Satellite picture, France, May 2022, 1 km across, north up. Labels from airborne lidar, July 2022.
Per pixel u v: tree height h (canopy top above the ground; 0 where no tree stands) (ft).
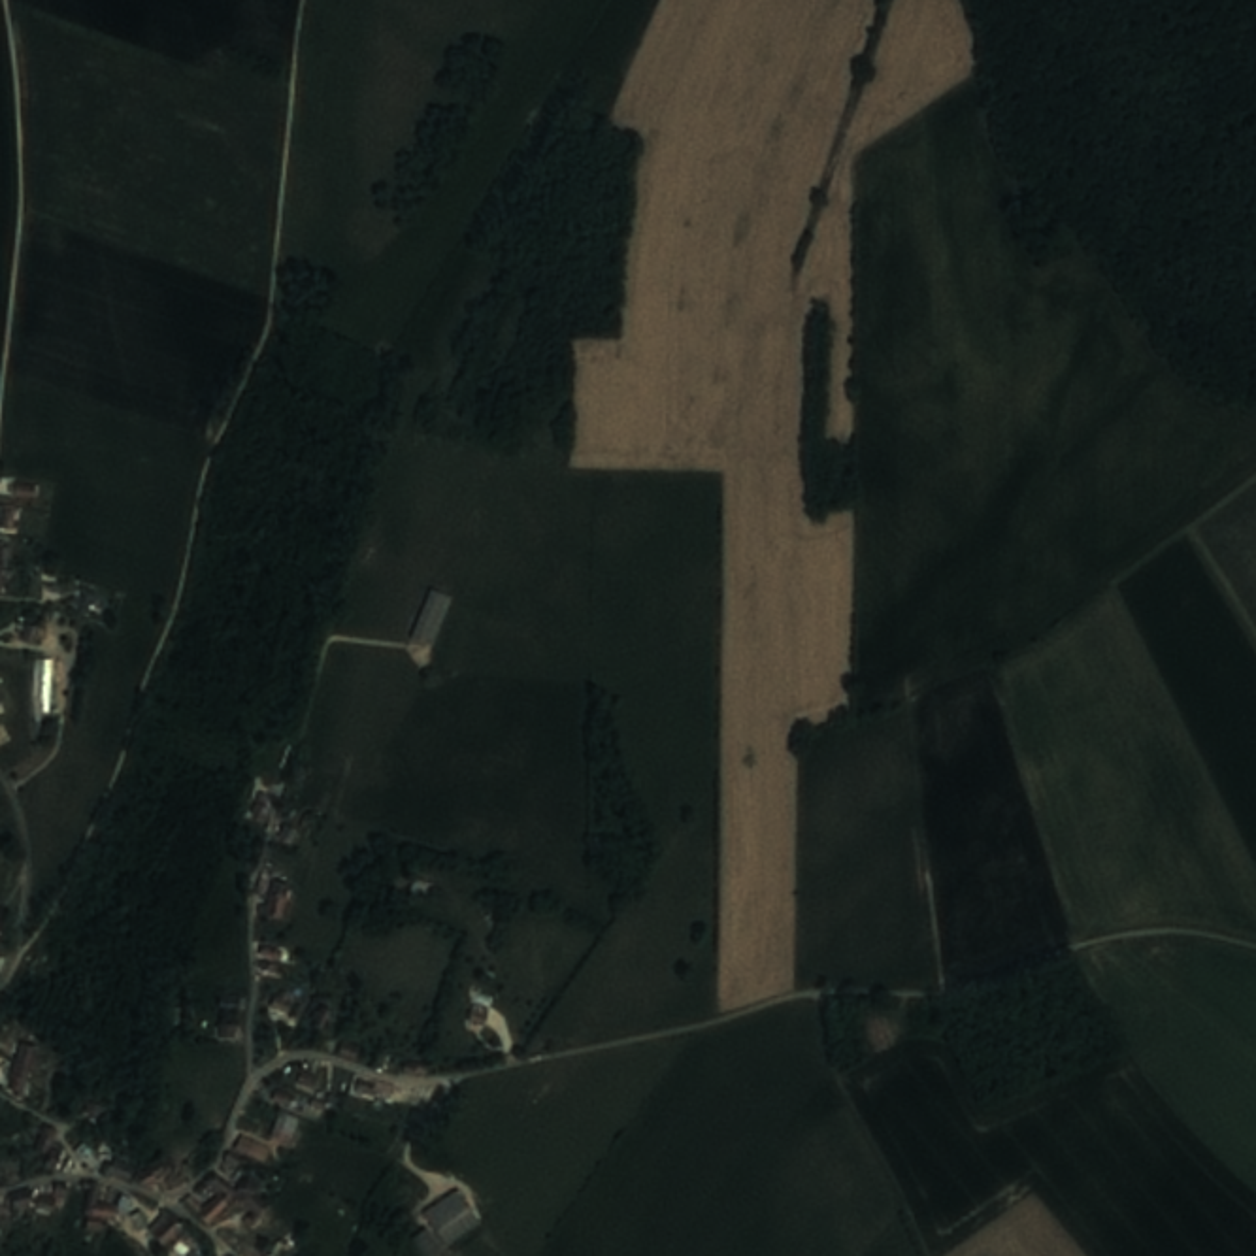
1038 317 0
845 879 0
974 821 0
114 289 0
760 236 0
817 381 48
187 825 36
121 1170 0
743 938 0
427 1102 0
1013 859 0
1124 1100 0
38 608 22
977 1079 40
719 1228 0
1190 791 0
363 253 0
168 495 0
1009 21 67
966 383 0
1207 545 0
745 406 0
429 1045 36
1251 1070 0
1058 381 0
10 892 0
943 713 0
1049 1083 50
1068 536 0
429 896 45
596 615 0
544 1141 0
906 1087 0
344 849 0
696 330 0
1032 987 71
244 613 30
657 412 0
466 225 0
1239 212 52
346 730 0
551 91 0
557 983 0
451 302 0
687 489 0
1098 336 0
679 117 0
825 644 0
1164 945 0
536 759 0
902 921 0
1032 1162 0
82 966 23
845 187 0
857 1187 0
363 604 0
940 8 0
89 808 0
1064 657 0
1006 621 0
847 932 0
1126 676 0
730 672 0
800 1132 0
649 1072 0
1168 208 63
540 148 76
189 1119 47
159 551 0
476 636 0
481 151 0
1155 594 0
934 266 0
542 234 82
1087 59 66
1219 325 72
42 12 0
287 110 0
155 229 0
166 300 0
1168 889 0
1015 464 0
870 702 0
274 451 32
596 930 26
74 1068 61
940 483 0
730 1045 0
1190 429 0
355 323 0
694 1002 0
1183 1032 0
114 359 0
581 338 26
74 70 0
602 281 47
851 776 0
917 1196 0
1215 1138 0
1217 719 0
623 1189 0
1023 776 0
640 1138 0
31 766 0
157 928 32
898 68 0
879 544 0
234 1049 0
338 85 0
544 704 0
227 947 0
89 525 0
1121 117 53
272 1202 21
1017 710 0
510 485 0
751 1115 0
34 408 0
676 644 0
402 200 42
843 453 36
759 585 0
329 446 73
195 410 0
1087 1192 0
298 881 0
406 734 0
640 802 49
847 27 0
